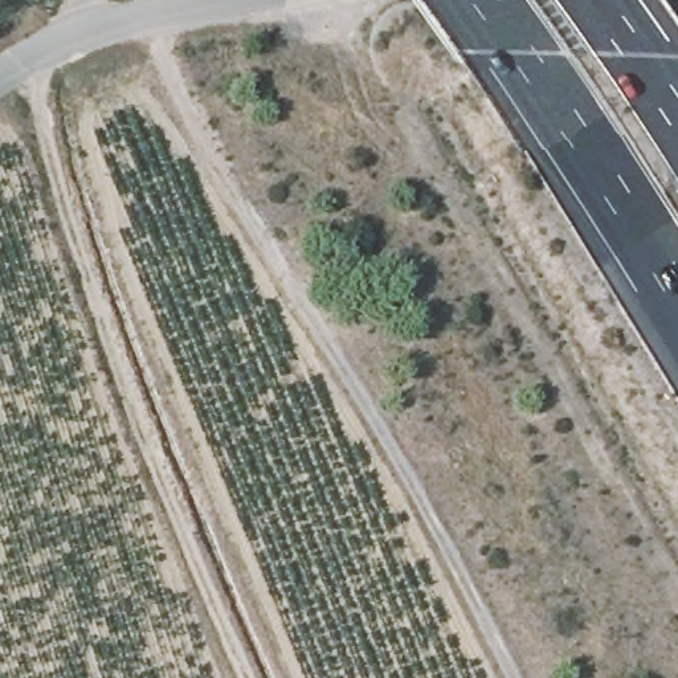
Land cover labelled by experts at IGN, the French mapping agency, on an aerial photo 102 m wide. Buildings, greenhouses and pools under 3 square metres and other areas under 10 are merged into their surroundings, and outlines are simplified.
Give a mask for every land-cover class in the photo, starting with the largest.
<instances>
[{"label":"vineyard","instance_id":"1","mask_svg":"<svg viewBox=\"0 0 678 678\"><path fill-rule=\"evenodd\" d=\"M117 85L146 87L177 130L185 124L167 87L162 85V74L148 48L138 42H119L93 50L85 58L66 64L53 74L50 106L56 119V140L66 177L74 188L77 207L82 212V225L95 260V270L101 275V289L109 299L146 411L156 426L162 453L183 493L185 509L196 530V540L207 556V564L215 575V583L222 593L238 638L257 670V678H506L413 495H405L403 511L389 509L379 474L371 469V461H389V456L373 434L365 413L355 416L363 426V437L358 442H350L323 376L305 379L294 368L297 344L283 320L281 305L257 291L252 267L244 260L238 241L233 236L220 233V225L204 196L193 162L172 156L164 130L143 119L140 111L132 109V103L124 95H119ZM0 678H238L233 662L225 654L220 633L209 617V609L201 599L183 543L167 514V506L154 485L140 442L132 434L124 395L119 392V384L114 379L95 315L82 286L79 267L72 257L64 228L58 222V209L40 154L32 106L21 93H5L0 98Z\"/></svg>","mask_w":678,"mask_h":678},{"label":"herbaceous vegetation","instance_id":"2","mask_svg":"<svg viewBox=\"0 0 678 678\"><path fill-rule=\"evenodd\" d=\"M262 29V24H215L185 32L175 45V56H180L188 95L207 109L209 127L222 140L217 154H222L230 164V175L236 177L241 196L265 217V225L281 241V249L294 275L310 283L313 267L305 260V246L297 241L302 228L310 230L313 222H352L360 212L384 220V252L392 257L403 254V260L413 265V299L426 310L429 339L395 336L389 334L387 320L339 323L336 342L350 365L355 368L358 379L365 384L368 395L379 405L381 400L397 395L395 381L389 376V365L395 363V358H400L397 344H403L411 352V363L416 368L413 387L403 392V405L397 411H381L397 448L424 482V490L445 532L456 543L461 561L469 569L493 622L498 625L503 644L509 646L522 678H678V397L673 395L667 376L654 360L644 336L638 334L636 323L617 302V297L609 291L601 267L591 257L588 246L569 222L554 191L543 185L540 191H530L516 180L522 164L538 170L535 159L519 148L498 109L474 77L458 87L456 95L429 103L426 98L418 101L416 95L405 93L389 95V90L376 79L373 72H355L350 53L336 42L320 45L305 42L299 37H286L283 48L273 53H260L257 32ZM230 72H254L257 98H265L278 109V124L257 122L254 103H246L244 111H233L215 93L220 79ZM405 177L408 188L413 191V209H400L395 204V185ZM538 384L543 413L519 405L522 389ZM559 609H583L585 630L561 636L554 622Z\"/></svg>","mask_w":678,"mask_h":678},{"label":"impervious surface","instance_id":"3","mask_svg":"<svg viewBox=\"0 0 678 678\"><path fill-rule=\"evenodd\" d=\"M180 24L185 32L215 24H262V29L257 32L260 53H273L283 48L286 37H299L305 42L320 45L336 42L350 53L355 72H373L376 79L389 90V95L405 93L416 95L418 101L426 98L429 103L456 95L458 87L474 77L498 109L519 148L535 159L538 170L522 164L516 180L530 191H540L543 185L554 191L569 222L588 246L591 257L601 267L609 291L617 297V302L636 323L638 334L644 336L654 360L667 376L673 395L678 397V0H32L29 8H24L16 29L0 40V98L5 93H21L32 74L48 69L53 74L66 64L85 58L93 50L119 42H138L148 29L156 26Z\"/></svg>","mask_w":678,"mask_h":678},{"label":"pervious surface","instance_id":"4","mask_svg":"<svg viewBox=\"0 0 678 678\"><path fill-rule=\"evenodd\" d=\"M185 32L180 24L156 26L148 29L138 42L148 48L162 74V85L167 87L185 124L177 130L146 87L117 85L119 95H124L132 103V109L140 111L143 119L164 130L172 156L193 162L204 196L220 225V233L233 236L238 241L244 260L252 267L257 291L281 305L283 320L297 344L294 368L305 379L323 376L350 442H358L363 437V426L355 416L365 413L373 434L389 456V461H371V469L379 474L389 509L403 511L405 495H413L506 678H522L509 646L503 644L498 625L493 622L469 569L461 561L456 543L445 532L424 490V482L397 448L381 411L379 405L368 395L365 384L358 379L355 368L350 365L336 342L339 323L334 313L318 307L310 299V283L294 275L281 249V241L265 225V217L241 196L236 177L230 175V164L222 154H217L222 140L209 127L207 109L188 95L180 56H175V45ZM53 74L48 69L32 74L21 93L32 106L40 154L58 209V222L64 228L72 257L79 267L82 286L95 315L114 379L119 384V392L124 395L132 434L140 442L154 485L167 506V514L183 543L201 599L209 609V617L220 633L225 654L233 662L238 678H257V670L238 638L222 593L215 583V575L207 564V556L196 540V530L185 509L183 493L162 453L156 426L146 411L109 299L101 289V275L95 270V260L82 225V212L77 207L74 188L66 177L56 140V119L50 106Z\"/></svg>","mask_w":678,"mask_h":678},{"label":"deciduous trees","instance_id":"5","mask_svg":"<svg viewBox=\"0 0 678 678\"><path fill-rule=\"evenodd\" d=\"M32 0H0V40L16 29L24 8H29ZM215 93L233 111H244L246 103H254L257 122L278 124V109L265 98H257L254 72H230L220 79ZM395 204L400 209H413V191L408 188L405 177L395 185ZM297 241L305 246V260L313 267L310 283V299L318 307L334 313L339 323L387 320L389 334L395 336L429 339L426 310L413 299V265L403 260V254L392 257L384 252V220L360 212L352 222H313L310 230L302 228ZM400 358H395V363L389 365V376L395 381L397 395L381 400L379 405L381 411H397L403 405V392L413 387L416 368L411 363V352L403 344H397ZM519 405L543 413L538 384L522 389ZM554 622L561 636L585 630L583 609H559Z\"/></svg>","mask_w":678,"mask_h":678}]
</instances>
